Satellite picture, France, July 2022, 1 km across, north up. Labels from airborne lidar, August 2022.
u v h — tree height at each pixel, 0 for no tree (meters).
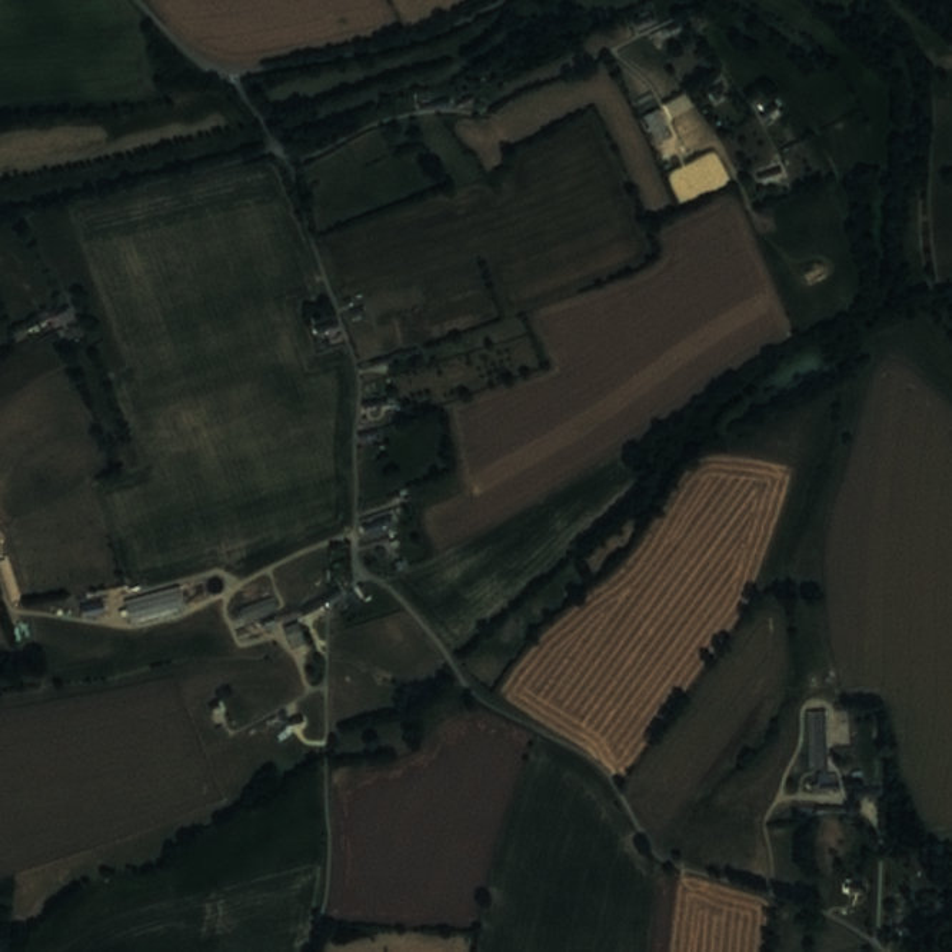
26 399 0
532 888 0
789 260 0
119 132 0
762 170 0
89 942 0
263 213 0
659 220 16
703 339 0
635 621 0
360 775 0
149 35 18
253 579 0
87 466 0
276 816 0
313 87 0
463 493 0
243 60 0
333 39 0
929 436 0
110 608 0
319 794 0
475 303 0
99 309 0
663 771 0
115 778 0
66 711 0
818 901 31
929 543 0
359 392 0
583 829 0
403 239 0
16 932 18
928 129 21
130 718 0
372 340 0
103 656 0
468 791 0
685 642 0
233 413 0
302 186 12
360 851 0
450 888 0
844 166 0
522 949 0
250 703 0
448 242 0
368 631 0
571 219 0
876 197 0
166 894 0
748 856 0
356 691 0
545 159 0
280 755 0
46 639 0
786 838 0
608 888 0
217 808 0
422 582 0
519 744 0
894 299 16
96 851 0
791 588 16
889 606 0
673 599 0
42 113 20
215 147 0
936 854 28
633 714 0
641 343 0
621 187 0
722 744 0
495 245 0
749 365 7
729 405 13
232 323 0
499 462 0
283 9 0
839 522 0
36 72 0
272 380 0
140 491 0
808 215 0
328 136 11
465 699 10
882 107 0
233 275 0
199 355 0
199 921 0
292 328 0
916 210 0
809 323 0
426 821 0
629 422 0
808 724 0
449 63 13
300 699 0
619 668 0
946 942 16
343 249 0
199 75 7
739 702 0
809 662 0
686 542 0
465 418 0
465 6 7
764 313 0
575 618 0
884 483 0
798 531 0
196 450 0
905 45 19
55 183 0
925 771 0
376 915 0
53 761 0
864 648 0
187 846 17
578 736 0
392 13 0
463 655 11
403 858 0
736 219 0
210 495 0
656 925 0
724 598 0
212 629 0
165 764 0
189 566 0
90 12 0
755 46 20
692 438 12
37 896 0
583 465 0
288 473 0
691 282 0
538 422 0
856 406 0
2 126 23
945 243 0
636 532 7
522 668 0
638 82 0
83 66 0
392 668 0
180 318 0
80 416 0
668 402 0
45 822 0
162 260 0
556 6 9
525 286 0
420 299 0
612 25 22
